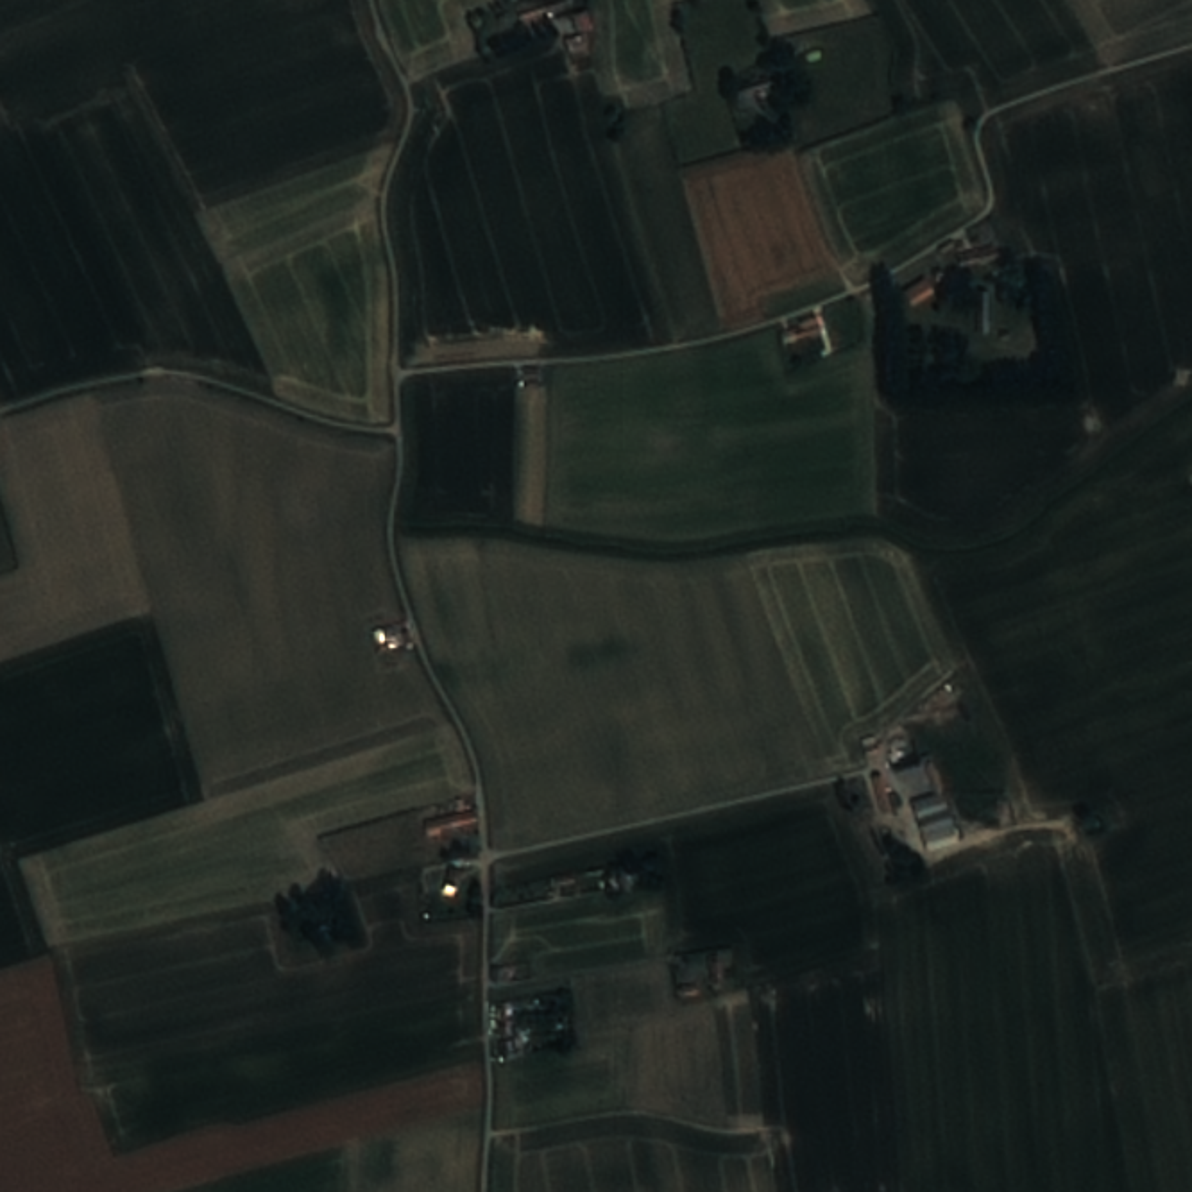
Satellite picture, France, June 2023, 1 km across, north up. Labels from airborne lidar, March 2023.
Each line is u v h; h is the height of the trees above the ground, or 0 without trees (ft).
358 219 0
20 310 0
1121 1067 0
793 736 0
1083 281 0
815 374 0
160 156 0
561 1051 31
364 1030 0
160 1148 0
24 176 0
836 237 0
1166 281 0
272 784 0
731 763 0
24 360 0
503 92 0
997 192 0
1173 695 0
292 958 0
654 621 0
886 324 88
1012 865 0
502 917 0
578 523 0
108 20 0
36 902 0
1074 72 0
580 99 0
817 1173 0
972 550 0
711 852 0
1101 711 0
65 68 0
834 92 0
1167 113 0
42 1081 0
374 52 0
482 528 0
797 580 0
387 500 0
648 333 0
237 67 0
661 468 0
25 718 0
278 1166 0
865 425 0
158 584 0
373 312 0
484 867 0
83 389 0
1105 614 0
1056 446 0
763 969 0
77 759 0
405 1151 0
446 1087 0
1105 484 0
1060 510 0
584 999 0
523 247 0
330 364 0
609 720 0
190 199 0
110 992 0
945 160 0
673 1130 0
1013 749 0
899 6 0
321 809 0
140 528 0
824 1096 0
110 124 0
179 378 0
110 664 0
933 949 0
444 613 0
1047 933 0
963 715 0
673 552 0
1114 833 0
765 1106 0
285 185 0
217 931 0
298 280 0
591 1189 0
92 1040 0
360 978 0
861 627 0
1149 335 0
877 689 0
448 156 0
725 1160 0
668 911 0
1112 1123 0
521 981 0
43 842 0
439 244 0
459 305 0
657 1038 0
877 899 0
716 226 0
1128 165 0
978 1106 0
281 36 0
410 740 0
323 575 0
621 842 0
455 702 0
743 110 0
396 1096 0
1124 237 0
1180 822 0
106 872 0
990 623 0
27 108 0
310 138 0
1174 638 0
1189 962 0
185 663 0
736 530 0
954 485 0
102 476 0
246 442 0
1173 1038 0
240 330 0
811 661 0
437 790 0
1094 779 0
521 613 0
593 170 0
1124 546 0
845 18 0
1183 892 0
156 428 0
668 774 0
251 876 0
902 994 0
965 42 0
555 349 0
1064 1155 0
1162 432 0
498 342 0
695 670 0
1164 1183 0
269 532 0
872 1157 0
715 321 0
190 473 0
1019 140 0
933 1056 0
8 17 0
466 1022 0
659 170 0
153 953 0
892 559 0
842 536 0
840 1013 0
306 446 0
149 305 0
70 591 0
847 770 0
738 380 0
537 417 0
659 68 0
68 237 0
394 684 0
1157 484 0
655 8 0
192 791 0
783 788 0
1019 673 0
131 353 0
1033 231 0
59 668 0
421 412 0
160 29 0
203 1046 0
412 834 0
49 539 0
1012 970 0
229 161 0
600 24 0
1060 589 0
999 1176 0
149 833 0
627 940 0
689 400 0
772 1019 0
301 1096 0
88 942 0
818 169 0
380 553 0
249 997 0
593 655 0
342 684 0
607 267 0
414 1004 0
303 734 0
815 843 0
